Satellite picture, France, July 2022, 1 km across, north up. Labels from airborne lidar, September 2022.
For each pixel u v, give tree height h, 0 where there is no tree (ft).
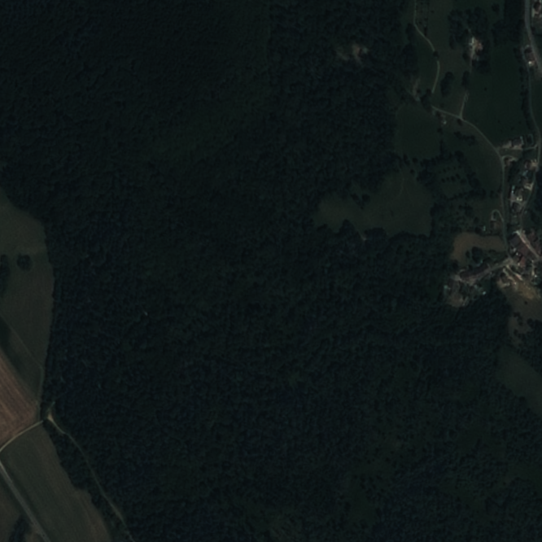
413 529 77
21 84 67
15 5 91
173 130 66
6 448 0
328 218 0
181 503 75
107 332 34
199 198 78
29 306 0
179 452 81
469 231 34
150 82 77
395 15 40
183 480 82
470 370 83
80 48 57
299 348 95
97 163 81
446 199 60
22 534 51
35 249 0
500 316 73
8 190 62
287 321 86
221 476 90
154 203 89
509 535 70
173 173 101
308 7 103
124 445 94
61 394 64
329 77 95
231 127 55
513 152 0
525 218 0
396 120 85
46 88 73
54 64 68
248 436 111
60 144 86
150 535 94
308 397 118
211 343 113
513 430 33
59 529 0
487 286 0
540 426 49
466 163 55
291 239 77
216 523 104
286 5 100
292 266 60
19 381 0
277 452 120
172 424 92
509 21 20
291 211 103
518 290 0
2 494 0
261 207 76
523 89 26
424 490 92
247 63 66
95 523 0
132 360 47
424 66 0
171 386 93
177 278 86
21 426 0
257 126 102
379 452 27
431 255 25
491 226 0
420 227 0
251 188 85
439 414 75
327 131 97
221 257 91
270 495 41
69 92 74
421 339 65
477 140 69
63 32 51
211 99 60
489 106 0
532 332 22
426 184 55
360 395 94
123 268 95
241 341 79
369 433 97
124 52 69
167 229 84
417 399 66
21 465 0
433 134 0
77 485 56
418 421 80
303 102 108
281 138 105
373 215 0
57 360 74
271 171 80
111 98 72
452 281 0
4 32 79
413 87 0
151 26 56
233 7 66
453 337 74
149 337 97
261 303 27
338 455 100
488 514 42
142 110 74
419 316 64
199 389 109
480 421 54
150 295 87
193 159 81
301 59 112
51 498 0
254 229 85
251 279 24
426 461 51
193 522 109
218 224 72
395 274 67
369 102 91
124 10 71
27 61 68
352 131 70
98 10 76
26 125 81
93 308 90
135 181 53
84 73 76
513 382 0
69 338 95
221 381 116
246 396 107
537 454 52
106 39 70
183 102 69
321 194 78
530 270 0
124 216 91
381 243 70
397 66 95
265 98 62
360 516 0
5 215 0
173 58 70
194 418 96
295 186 106
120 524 67
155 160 102
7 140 97
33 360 0
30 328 0
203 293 90
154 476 95
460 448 32
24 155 97
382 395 67
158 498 51
